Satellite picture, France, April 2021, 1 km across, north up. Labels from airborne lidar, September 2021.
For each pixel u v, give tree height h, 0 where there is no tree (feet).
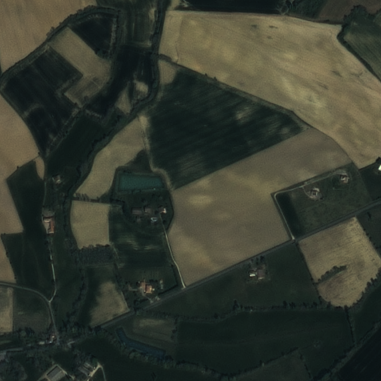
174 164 0
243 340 0
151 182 0
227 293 0
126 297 38
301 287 0
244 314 0
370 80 0
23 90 0
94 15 0
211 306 0
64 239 0
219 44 0
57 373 0
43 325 0
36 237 0
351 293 0
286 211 0
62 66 0
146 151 0
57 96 0
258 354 0
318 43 0
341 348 0
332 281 0
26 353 35
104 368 0
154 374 0
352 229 0
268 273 27
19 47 0
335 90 0
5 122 0
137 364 0
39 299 0
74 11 0
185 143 0
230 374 0
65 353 0
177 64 0
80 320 0
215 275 0
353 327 31
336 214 0
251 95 0
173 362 91
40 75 0
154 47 45
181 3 0
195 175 0
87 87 0
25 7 0
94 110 0
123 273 0
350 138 0
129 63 0
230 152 0
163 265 0
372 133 0
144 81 0
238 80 0
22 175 0
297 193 0
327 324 0
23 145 0
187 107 0
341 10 0
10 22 0
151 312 48
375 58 0
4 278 0
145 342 0
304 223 0
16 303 0
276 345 0
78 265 57
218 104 0
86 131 0
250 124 0
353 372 0
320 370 0
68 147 0
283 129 0
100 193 0
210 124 0
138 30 0
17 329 0
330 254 0
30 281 0
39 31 0
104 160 0
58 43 0
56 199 61
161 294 27
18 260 0
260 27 0
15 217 0
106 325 0
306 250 0
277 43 0
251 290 0
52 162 0
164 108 0
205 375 0
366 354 0
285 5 0
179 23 0
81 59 0
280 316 0
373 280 0
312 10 21
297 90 0
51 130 0
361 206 0
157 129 0
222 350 0
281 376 0
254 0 0
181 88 0
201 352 0
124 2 0
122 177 0
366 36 0
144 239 0
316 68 0
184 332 0
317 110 0
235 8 0
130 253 0
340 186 0
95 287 0
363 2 0
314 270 0
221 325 0
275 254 0
